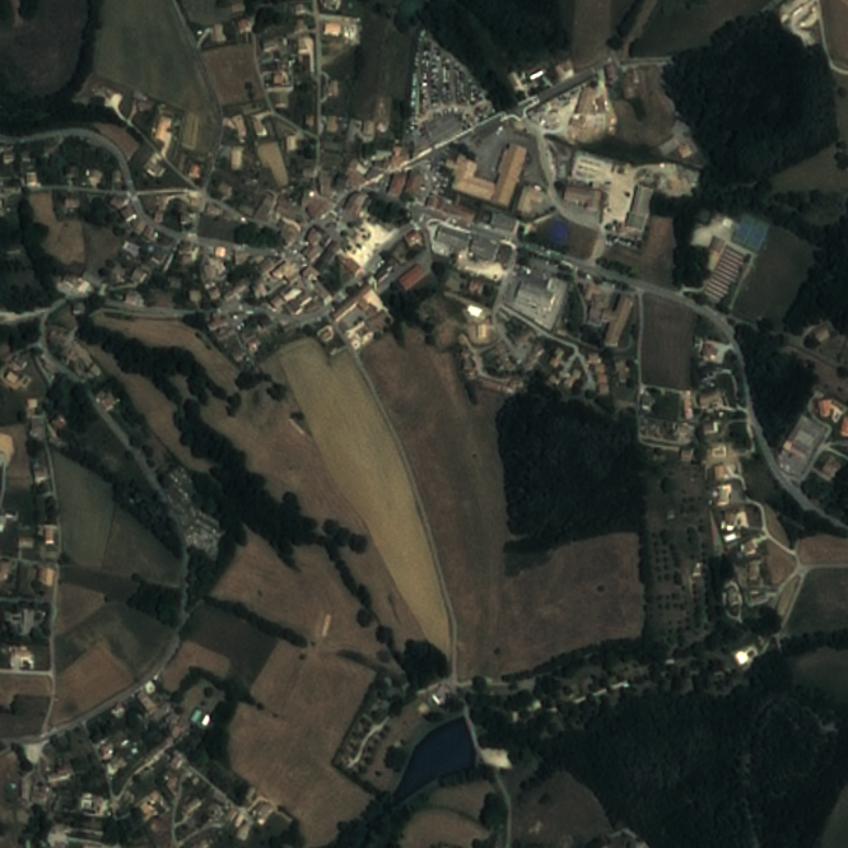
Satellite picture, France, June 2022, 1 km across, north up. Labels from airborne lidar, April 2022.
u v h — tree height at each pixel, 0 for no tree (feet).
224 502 56
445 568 0
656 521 0
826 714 52
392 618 0
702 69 72
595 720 47
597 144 0
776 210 43
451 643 0
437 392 0
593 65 0
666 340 0
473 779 81
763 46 96
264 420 0
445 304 0
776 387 79
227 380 0
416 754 0
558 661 40
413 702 29
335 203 0
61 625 0
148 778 0
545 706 32
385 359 0
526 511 66
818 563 0
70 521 0
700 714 63
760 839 41
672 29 0
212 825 0
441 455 0
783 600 0
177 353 65
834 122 51
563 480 71
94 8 48
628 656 59
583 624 0
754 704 64
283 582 0
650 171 0
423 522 0
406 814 38
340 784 0
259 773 0
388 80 0
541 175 0
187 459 0
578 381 24
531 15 72
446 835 0
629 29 46
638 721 66
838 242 68
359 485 0
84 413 62
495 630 0
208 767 18
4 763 0
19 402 0
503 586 0
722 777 51
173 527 64
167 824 0
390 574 0
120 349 71
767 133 64
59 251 0
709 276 41
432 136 0
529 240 34
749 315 0
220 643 0
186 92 0
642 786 51
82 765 32
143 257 25
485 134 0
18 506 0
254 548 0
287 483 0
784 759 38
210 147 0
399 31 21
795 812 54
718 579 47
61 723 0
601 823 0
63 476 0
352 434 0
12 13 0
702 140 58
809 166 0
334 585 0
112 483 53
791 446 0
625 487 74
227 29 23
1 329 43
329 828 0
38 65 0
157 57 0
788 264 0
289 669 0
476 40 96
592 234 0
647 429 0
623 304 0
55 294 56
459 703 98
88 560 0
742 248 0
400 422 0
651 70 0
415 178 0
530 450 64
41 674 0
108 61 0
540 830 0
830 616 0
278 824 0
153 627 0
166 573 0
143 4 0
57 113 54
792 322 60
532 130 0
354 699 0
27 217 58
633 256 0
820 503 25
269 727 0
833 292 82
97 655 0
